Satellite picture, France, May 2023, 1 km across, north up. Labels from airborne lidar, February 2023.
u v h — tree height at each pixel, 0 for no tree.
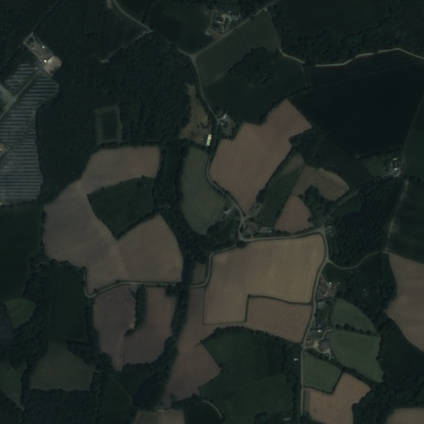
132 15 0
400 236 0
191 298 0
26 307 0
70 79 14
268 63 18
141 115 14
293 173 0
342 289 0
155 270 0
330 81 0
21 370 0
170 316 0
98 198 0
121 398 0
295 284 0
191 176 0
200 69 0
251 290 0
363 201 8
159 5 0
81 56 14
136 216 0
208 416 0
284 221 0
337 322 0
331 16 0
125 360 0
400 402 8
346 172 0
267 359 0
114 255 0
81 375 0
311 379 0
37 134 12
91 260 0
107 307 0
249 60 18
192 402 18
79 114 15
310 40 15
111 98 18
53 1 11
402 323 0
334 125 0
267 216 0
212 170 0
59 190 13
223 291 0
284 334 0
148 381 0
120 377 0
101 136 0
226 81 0
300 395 0
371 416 14
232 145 0
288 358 16
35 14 14
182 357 0
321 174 0
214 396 0
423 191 0
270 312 0
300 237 0
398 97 0
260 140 0
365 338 0
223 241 0
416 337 0
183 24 0
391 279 0
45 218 10
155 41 13
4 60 16
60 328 0
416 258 0
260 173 0
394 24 8
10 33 15
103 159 0
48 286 21
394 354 0
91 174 0
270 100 0
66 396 19
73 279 0
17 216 0
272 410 0
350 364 0
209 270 0
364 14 0
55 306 0
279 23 15
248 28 0
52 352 0
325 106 0
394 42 7
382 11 0
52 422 21
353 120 0
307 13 0
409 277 0
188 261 6
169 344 17
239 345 0
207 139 0
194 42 0
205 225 0
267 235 8
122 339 0
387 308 13
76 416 18
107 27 0
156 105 17
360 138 0
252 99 0
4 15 22
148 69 15
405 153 0
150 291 0
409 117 0
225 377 0
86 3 14
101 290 0
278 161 0
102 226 0
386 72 0
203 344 9
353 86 0
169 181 0
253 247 0
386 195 23
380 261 8
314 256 0
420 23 0
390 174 0
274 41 0
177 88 8
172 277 0
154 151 0
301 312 0
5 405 18
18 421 8
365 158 9
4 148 0
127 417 0
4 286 0
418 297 0
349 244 11
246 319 0
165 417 0
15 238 0
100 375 9
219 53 0
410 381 0
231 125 0
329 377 0
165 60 17
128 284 0
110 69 19
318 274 0
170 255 0
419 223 0
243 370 0
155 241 0
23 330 19
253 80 8
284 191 0
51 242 0
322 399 0
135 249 0
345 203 0
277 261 0
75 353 18
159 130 16
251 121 0
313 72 0
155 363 14
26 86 0
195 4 8
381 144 0
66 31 12
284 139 0
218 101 0
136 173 0
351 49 8
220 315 0
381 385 14
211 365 0
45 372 0
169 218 11
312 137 15
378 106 0
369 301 0
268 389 0
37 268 27
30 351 21
